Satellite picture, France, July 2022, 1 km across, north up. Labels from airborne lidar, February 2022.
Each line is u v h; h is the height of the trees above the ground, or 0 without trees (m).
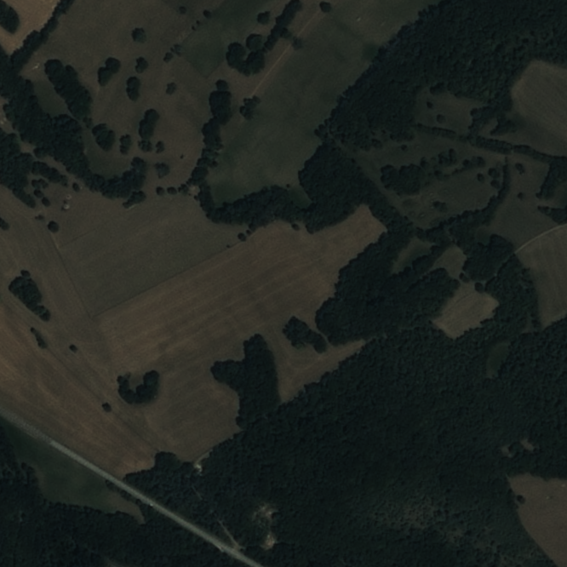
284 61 0
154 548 18
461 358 14
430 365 18
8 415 0
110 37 0
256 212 16
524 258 0
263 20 16
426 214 0
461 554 14
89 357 0
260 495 14
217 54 0
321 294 0
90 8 0
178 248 0
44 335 0
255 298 0
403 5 0
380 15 0
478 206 0
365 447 25
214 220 11
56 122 14
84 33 0
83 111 20
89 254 0
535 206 0
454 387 16
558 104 0
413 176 14
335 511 21
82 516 20
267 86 0
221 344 0
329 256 0
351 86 0
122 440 0
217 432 0
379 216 14
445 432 17
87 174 21
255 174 0
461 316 0
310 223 17
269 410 19
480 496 15
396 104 18
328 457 23
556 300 0
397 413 14
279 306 0
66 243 0
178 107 0
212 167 10
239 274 0
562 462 17
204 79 0
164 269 0
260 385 17
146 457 0
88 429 0
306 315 0
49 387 0
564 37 21
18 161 13
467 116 0
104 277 0
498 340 13
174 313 0
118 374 0
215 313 0
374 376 16
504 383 15
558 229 0
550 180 15
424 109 0
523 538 5
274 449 25
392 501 6
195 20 0
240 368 17
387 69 18
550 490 0
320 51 0
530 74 0
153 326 0
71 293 0
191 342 0
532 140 0
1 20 17
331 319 23
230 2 0
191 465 10
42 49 0
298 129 0
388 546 20
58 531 20
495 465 14
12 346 0
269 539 0
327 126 10
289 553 15
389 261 22
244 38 0
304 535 19
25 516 14
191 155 0
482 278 16
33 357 0
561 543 0
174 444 0
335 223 12
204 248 0
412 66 18
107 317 0
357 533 11
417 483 6
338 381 17
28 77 0
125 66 0
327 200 21
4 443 19
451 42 21
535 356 17
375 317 23
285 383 0
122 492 8
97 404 0
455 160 11
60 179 11
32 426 0
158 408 0
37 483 14
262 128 0
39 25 0
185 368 0
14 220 0
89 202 0
